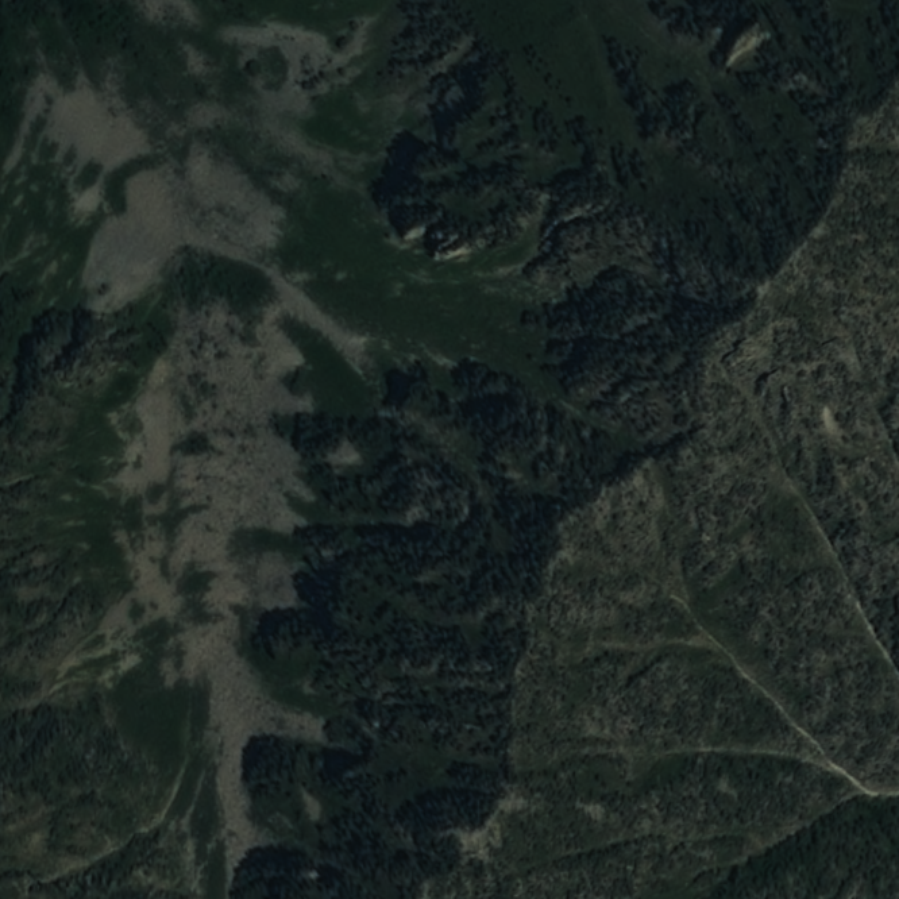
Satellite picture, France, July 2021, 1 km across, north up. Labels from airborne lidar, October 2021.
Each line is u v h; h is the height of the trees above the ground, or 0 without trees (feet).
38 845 0
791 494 0
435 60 31
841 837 51
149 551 0
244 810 0
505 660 41
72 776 35
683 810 30
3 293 51
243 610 0
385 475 38
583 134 23
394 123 0
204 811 0
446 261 0
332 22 0
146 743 0
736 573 0
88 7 44
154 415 0
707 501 36
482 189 37
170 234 0
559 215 20
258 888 24
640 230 33
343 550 27
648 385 28
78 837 0
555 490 0
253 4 0
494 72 33
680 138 24
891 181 26
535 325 32
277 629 24
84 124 0
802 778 33
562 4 0
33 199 0
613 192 21
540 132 41
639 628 41
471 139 0
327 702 0
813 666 30
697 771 47
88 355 42
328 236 0
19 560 27
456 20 23
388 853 31
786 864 34
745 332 19
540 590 28
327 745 0
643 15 0
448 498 31
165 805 0
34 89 0
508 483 23
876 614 23
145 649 0
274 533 0
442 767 0
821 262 43
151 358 0
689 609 0
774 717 42
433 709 33
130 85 0
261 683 0
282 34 0
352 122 0
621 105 0
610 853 43
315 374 0
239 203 0
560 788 33
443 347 0
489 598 28
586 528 41
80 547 0
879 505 46
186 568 0
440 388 0
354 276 0
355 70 0
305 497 0
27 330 0
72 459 0
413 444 35
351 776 24
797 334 34
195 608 0
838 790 34
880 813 42
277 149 0
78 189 0
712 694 31
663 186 0
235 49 0
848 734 49
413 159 33
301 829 0
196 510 0
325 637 24
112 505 0
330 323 0
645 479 24
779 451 0
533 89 0
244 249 0
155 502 0
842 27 35
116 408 0
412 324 0
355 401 0
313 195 0
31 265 0
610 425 0
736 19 37
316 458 34
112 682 0
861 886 19
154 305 0
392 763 0
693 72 0
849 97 26
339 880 34
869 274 33
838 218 33
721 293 43
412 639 37
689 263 33
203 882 0
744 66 0
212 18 0
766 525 71
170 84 0
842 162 31
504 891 31
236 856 0
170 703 0
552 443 20
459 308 0
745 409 34
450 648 41
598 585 63
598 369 38
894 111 39
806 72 33
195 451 23
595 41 0
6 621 0
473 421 33
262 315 0
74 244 0
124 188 0
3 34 29
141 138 0
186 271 32
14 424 35
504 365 0
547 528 34
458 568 26
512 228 48
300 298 0
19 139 0
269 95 0
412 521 0
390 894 0
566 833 21
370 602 0
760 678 0
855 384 53
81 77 0
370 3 0
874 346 26
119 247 0
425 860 21
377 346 0
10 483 0
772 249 31
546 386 0
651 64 0
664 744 30
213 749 0
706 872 49
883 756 33
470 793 31
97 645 0
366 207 0
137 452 0
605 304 26
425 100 0
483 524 26
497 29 0
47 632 21
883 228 50
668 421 0
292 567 0
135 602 0
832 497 31
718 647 0
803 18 35
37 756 30
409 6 28
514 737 38
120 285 0
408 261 0
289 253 0
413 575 31
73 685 0
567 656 0
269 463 0
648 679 48
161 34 0
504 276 0
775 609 30
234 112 0
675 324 38
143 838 41
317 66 0
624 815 53
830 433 0
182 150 0
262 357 0
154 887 27
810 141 0
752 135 25
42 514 0
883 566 28
